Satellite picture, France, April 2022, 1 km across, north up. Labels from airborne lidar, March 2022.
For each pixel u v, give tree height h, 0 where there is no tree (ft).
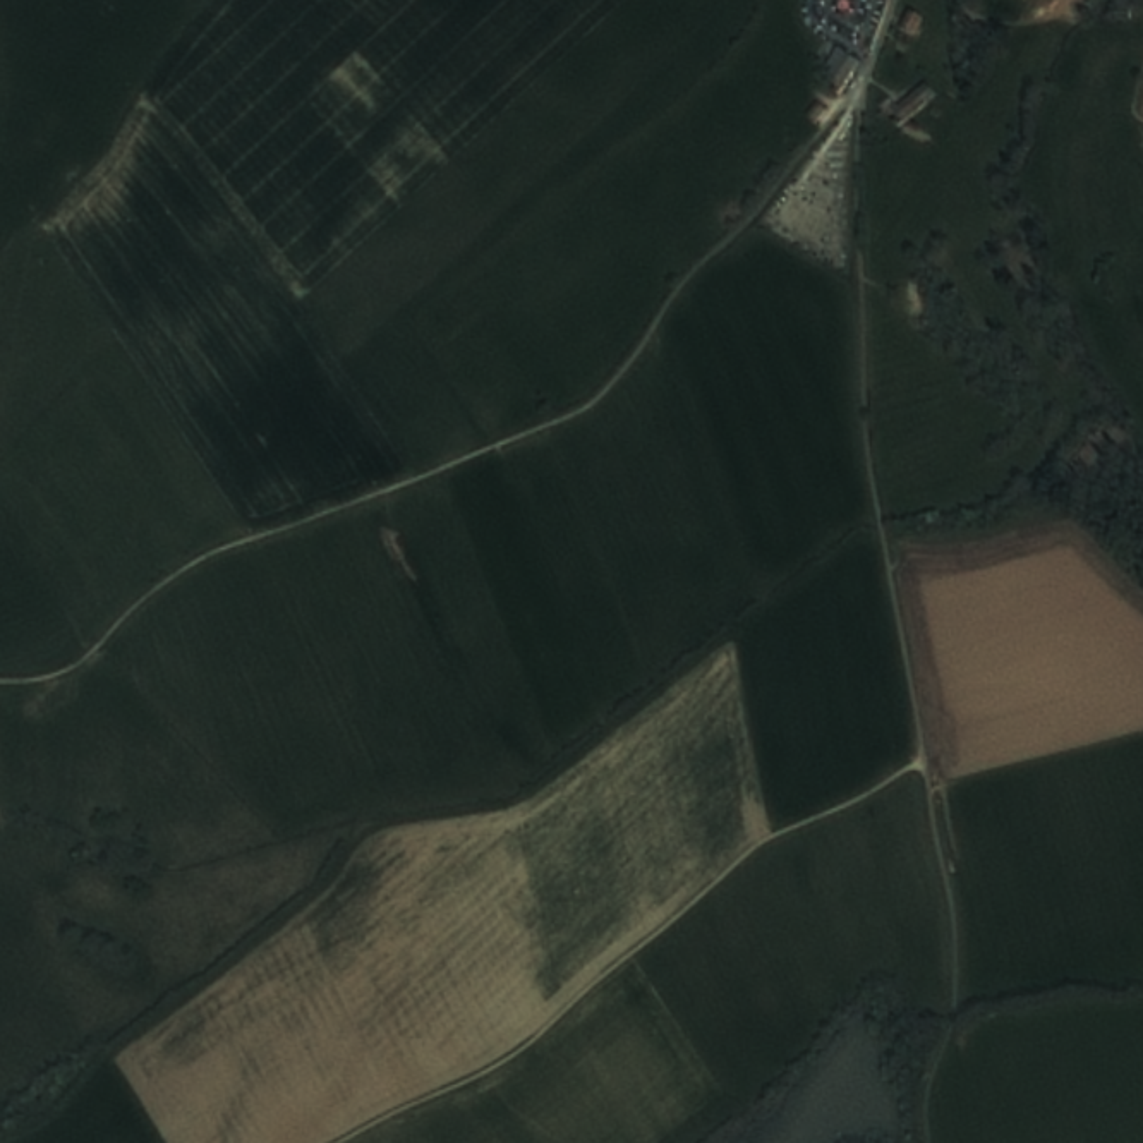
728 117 0
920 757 0
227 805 0
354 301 0
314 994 0
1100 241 0
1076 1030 0
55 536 0
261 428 0
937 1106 0
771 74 0
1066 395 0
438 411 0
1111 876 0
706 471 0
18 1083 0
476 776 0
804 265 0
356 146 0
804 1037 0
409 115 0
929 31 0
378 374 0
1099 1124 0
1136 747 0
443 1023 0
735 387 0
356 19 0
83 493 0
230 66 0
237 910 0
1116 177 0
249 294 0
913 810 0
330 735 0
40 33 0
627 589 0
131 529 0
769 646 0
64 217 0
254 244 0
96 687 0
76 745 0
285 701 0
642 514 0
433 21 0
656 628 0
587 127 0
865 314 0
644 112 0
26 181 0
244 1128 0
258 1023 0
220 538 0
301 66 0
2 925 0
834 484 0
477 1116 0
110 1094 0
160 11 0
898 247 0
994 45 62
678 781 0
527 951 0
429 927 0
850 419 0
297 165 0
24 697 0
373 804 0
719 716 0
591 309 0
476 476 0
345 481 0
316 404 0
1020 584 0
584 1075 0
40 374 0
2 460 0
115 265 0
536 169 0
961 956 0
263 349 0
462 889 0
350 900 0
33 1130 41
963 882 0
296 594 0
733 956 0
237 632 0
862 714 0
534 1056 0
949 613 0
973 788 0
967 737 0
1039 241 88
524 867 0
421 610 0
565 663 0
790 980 0
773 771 0
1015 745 0
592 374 0
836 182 0
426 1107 0
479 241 0
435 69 0
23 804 0
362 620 0
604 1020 0
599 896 0
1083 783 0
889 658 0
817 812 0
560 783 0
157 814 0
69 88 0
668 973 0
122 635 0
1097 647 0
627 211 0
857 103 0
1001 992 0
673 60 0
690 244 0
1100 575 0
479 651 0
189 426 0
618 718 25
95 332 0
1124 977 0
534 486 0
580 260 0
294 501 0
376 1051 0
